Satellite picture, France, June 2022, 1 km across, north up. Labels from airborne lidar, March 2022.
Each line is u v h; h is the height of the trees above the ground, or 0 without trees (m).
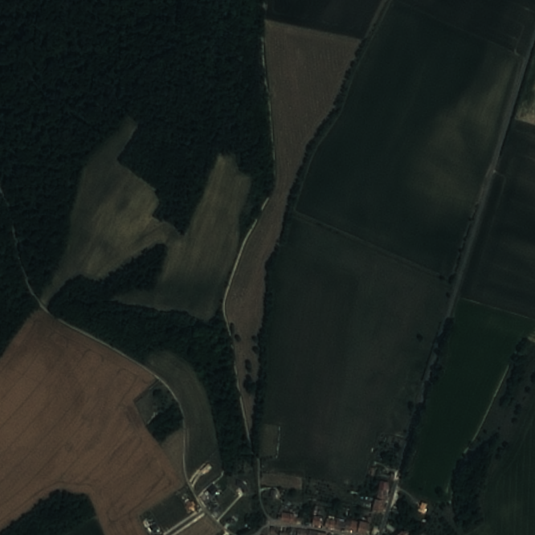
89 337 0
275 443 0
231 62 24
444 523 6
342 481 0
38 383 0
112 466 0
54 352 0
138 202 0
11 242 13
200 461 0
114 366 0
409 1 0
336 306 0
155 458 0
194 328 23
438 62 0
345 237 0
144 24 27
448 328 17
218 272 0
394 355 0
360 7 0
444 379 0
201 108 9
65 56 23
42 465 0
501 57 0
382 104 0
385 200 0
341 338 0
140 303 0
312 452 0
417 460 0
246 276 0
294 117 0
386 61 0
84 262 0
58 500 6
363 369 0
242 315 0
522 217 0
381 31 0
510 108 0
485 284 0
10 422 0
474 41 0
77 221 0
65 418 0
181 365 0
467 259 0
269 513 0
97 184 0
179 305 0
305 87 0
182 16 24
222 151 21
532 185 0
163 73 17
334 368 0
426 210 0
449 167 0
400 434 0
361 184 0
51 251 22
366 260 0
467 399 0
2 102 7
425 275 0
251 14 17
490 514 0
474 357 0
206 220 0
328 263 0
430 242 0
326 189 0
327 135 0
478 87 0
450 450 0
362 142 0
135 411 0
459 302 0
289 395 0
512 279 0
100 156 0
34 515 14
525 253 0
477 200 0
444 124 0
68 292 10
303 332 0
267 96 13
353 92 0
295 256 0
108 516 0
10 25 20
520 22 0
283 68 0
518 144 0
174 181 10
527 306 0
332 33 0
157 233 0
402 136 0
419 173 0
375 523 0
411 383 0
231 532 0
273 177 16
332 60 0
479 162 0
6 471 0
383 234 0
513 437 0
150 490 0
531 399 0
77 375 0
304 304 0
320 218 0
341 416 0
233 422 22
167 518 0
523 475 0
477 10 0
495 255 0
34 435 0
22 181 18
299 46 0
